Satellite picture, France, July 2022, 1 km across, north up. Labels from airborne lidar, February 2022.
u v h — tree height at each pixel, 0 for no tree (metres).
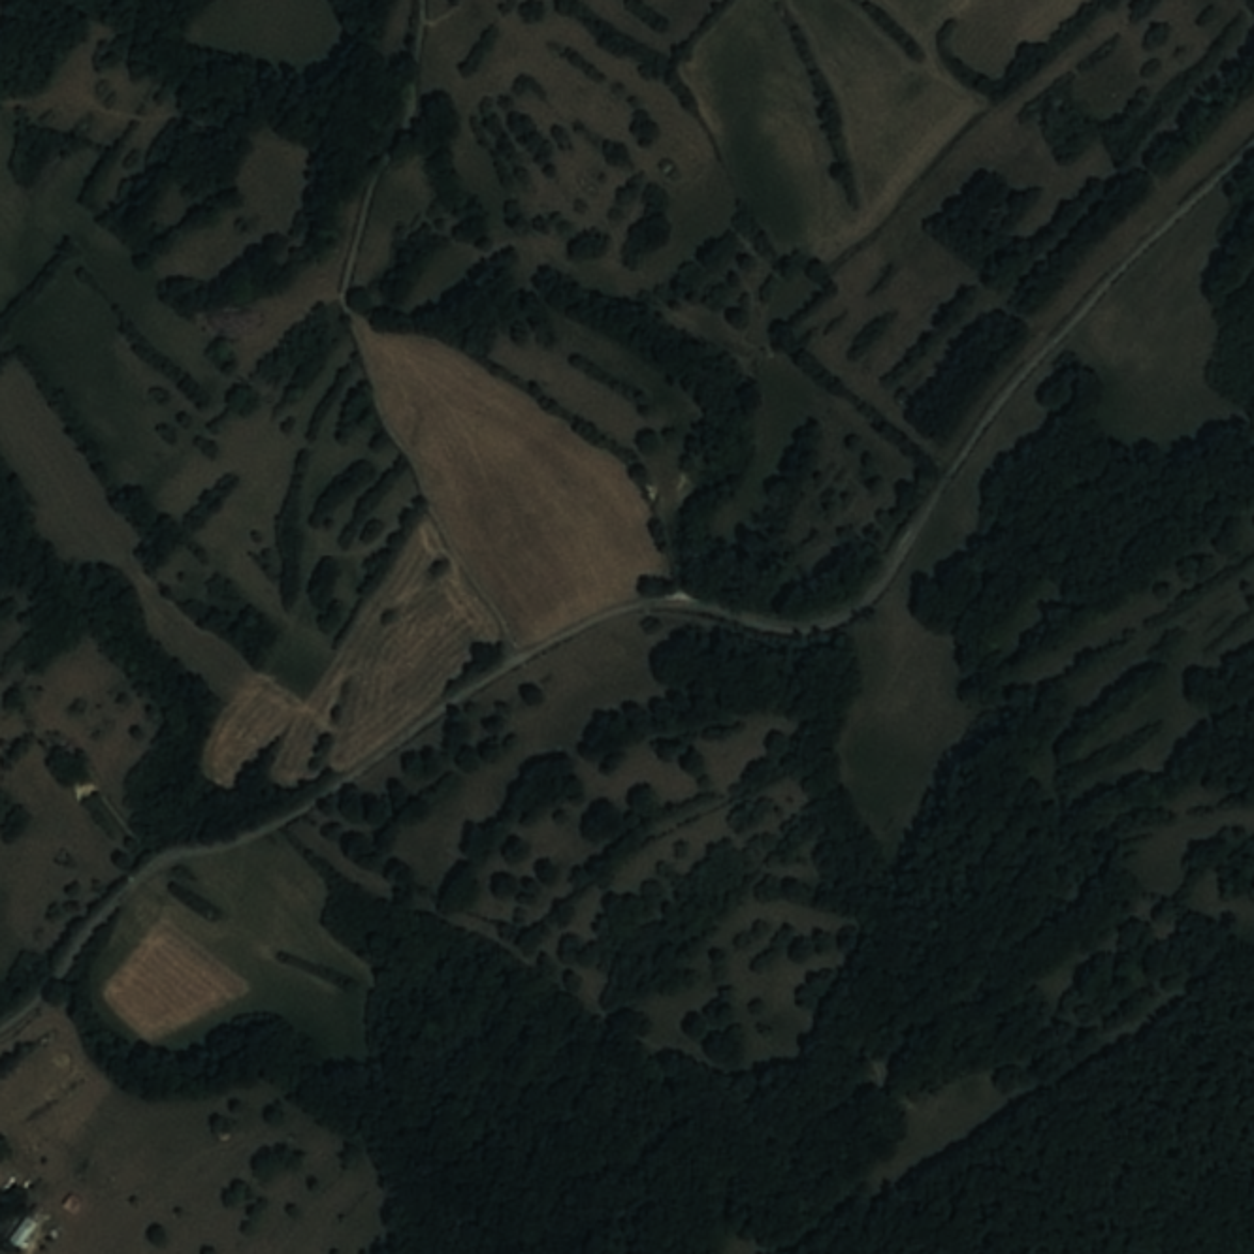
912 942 25
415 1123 9
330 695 0
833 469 0
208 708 16
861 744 0
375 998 7
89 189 8
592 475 0
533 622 0
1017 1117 18
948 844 16
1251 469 21
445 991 6
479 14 0
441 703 0
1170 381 0
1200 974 11
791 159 0
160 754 8
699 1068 18
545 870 16
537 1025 9
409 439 0
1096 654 12
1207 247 0
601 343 0
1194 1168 17
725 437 21
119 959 0
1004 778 20
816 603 24
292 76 21
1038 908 12
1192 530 13
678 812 11
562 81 0
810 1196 19
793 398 0
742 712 15
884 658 0
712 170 0
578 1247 11
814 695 17
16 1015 0
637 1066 19
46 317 0
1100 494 17
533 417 0
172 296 8
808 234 0
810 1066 18
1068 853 9
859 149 0
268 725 0
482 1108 13
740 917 0
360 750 0
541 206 0
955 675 0
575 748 0
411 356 0
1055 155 6
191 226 9
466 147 0
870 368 0
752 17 0
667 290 8
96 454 7
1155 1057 19
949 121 0
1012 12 0
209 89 15
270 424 0
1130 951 9
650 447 17
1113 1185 20
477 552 0
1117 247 0
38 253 0
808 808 8
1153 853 0
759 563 7
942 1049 22
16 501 14
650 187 6
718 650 20
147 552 16
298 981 0
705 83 0
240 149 18
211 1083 18
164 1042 0
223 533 0
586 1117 20
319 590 11
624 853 12
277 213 0
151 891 0
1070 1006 9
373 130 16
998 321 14
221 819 18
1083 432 18
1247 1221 19
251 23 0
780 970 0
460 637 0
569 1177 20
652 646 0
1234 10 0
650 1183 17
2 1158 15
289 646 0
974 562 17
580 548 0
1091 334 0
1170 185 0
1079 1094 20
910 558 0
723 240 7
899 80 0
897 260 0
